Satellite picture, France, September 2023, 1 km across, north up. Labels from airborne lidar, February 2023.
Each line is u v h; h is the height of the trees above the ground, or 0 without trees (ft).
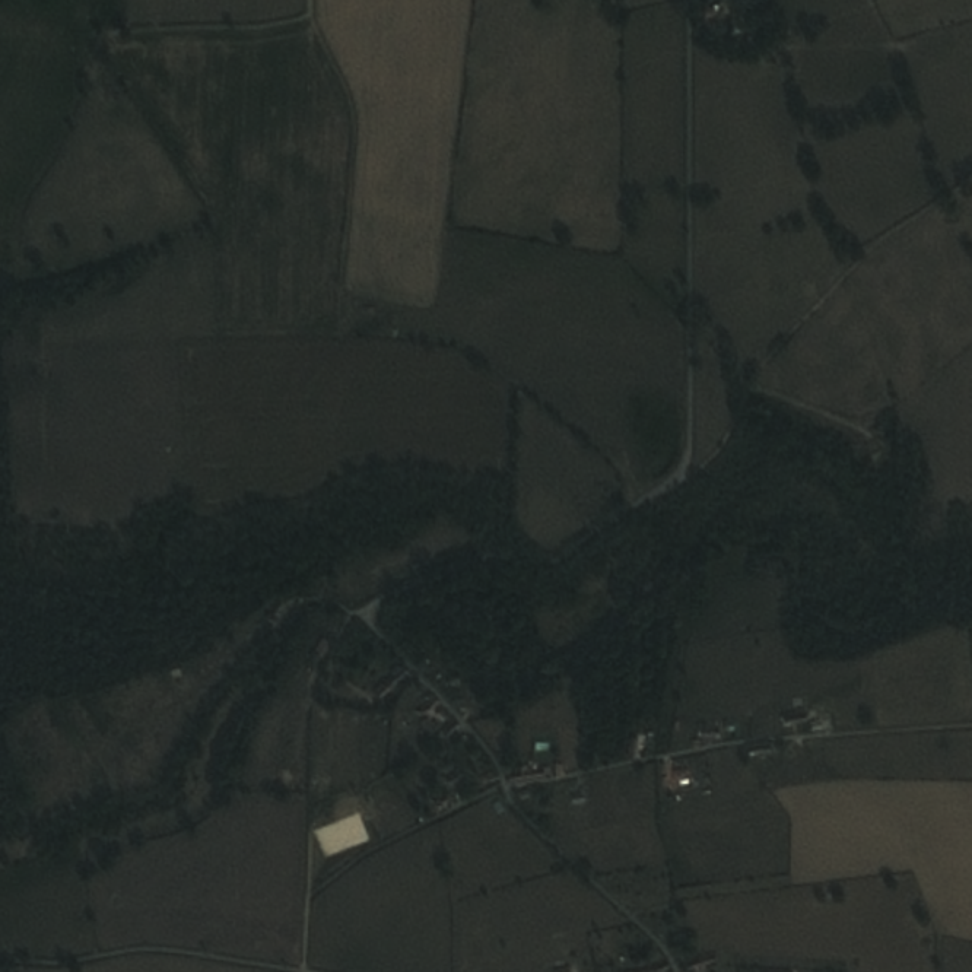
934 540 34
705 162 0
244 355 0
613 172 0
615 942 0
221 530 38
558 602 46
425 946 0
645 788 0
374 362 0
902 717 0
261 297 0
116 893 0
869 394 0
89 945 0
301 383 0
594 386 0
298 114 0
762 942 0
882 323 0
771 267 0
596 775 0
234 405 0
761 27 36
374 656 41
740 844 0
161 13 0
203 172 0
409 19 0
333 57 0
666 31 0
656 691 24
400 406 0
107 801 53
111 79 0
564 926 0
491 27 0
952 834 0
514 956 0
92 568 43
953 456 0
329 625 0
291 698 0
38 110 0
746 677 0
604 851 0
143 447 0
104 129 0
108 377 0
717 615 0
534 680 18
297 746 0
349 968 0
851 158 0
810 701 0
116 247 0
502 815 0
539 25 0
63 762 0
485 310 0
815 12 0
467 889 0
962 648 0
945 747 49
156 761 0
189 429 0
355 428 0
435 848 0
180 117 0
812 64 0
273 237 0
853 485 72
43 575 45
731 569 0
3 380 31
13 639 63
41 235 0
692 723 0
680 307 53
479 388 0
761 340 0
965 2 0
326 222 0
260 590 76
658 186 0
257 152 0
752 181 0
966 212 0
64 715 0
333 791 0
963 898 0
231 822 0
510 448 42
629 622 68
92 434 0
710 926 0
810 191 0
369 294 0
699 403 0
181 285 0
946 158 0
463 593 37
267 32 0
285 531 44
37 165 0
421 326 0
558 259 0
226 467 0
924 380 0
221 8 0
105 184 0
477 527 79
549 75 0
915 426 0
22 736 0
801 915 0
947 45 0
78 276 25
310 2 0
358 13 0
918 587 63
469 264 0
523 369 0
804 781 0
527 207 0
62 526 32
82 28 0
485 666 29
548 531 0
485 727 0
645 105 0
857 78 0
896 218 0
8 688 51
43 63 0
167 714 0
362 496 62
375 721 0
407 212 0
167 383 0
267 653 66
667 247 0
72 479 0
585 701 26
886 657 0
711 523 49
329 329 0
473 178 0
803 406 0
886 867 0
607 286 0
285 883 0
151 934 0
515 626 44
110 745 0
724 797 0
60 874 0
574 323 0
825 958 0
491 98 0
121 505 0
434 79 0
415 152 0
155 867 0
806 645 53
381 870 0
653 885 0
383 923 0
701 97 0
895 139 0
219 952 0
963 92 0
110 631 82
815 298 0
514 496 31
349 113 0
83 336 0
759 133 0
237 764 29
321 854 0
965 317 0
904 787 0
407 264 0
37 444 0
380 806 0
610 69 0
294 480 0
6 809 56
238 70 0
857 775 0
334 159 0
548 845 27
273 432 0
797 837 0
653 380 0
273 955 0
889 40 0
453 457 0
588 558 45
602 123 0
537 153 0
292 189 0
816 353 0
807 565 31
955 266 0
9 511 46
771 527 35
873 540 27
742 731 0
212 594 72
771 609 0
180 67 0
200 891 0
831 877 0
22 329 0
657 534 28
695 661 0
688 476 34
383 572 0
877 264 0
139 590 66
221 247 0
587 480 0
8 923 0
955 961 0
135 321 0
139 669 20
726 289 0
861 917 0
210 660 0
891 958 0
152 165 0
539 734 0
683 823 0
